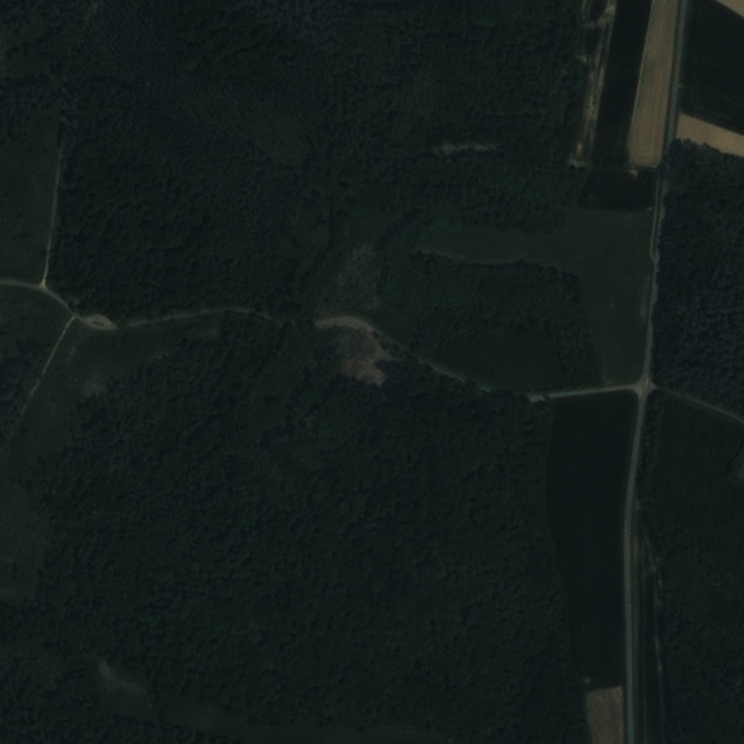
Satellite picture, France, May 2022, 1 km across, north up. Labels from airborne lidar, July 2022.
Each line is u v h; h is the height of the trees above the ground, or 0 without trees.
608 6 0
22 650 6
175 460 28
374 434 28
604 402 0
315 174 26
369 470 25
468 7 31
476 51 27
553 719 30
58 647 21
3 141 10
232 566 24
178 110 34
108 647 23
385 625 24
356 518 12
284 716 23
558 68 26
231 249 22
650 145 0
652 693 0
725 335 37
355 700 24
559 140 29
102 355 0
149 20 25
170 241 23
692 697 25
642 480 21
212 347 16
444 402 28
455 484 19
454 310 22
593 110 0
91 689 24
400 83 24
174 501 23
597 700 0
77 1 32
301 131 0
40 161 0
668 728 12
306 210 24
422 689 30
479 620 25
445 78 21
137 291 19
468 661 23
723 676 6
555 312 27
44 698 21
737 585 5
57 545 9
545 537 17
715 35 0
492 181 25
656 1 0
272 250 23
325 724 25
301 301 19
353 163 28
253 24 21
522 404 22
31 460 0
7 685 21
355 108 25
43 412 0
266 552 22
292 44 20
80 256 22
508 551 23
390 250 20
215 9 22
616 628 0
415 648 23
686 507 6
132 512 22
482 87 17
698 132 0
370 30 25
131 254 20
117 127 21
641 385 0
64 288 14
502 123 23
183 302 19
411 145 27
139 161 24
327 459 28
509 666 26
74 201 27
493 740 21
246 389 19
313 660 24
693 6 0
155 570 19
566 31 18
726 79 0
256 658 30
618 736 0
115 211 18
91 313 15
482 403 26
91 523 11
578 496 0
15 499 0
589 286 0
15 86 27
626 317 0
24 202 0
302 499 25
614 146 0
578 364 22
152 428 24
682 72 0
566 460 0
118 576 17
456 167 19
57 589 25
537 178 27
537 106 25
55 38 22
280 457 26
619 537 0
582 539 0
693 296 34
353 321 0
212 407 15
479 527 28
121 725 23
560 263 0
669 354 21
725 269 27
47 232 0
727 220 27
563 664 26
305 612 21
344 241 14
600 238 0
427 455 29
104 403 15
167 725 16
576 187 20
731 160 20
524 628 25
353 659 27
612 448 0
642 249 0
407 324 0
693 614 16
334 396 22
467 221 19
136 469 24
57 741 17
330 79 21
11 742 20
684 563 15
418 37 16
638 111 0
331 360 26
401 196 24
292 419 25
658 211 0
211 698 25
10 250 0
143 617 26
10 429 22
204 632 25
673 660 17
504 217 26
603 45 0
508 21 21
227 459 10
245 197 22
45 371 0
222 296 13
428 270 24
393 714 26
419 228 24
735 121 0
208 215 21
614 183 0
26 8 31
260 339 10
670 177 32
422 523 25
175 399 15
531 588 20
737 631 7
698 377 31
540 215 26
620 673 0
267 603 29
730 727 24
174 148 21
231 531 20
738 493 5
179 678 29
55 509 7
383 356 0
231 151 29
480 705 26
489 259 0
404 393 28
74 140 26
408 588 28
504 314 29
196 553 23
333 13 23
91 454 10
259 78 20
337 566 24
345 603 28
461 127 19
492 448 25
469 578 25
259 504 18
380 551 30
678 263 30
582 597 0
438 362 7
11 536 0
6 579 0
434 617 26
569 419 0
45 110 19
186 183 19
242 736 0
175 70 32
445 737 13
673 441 5
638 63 0
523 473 24
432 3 31
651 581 0
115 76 31
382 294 21
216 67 19
